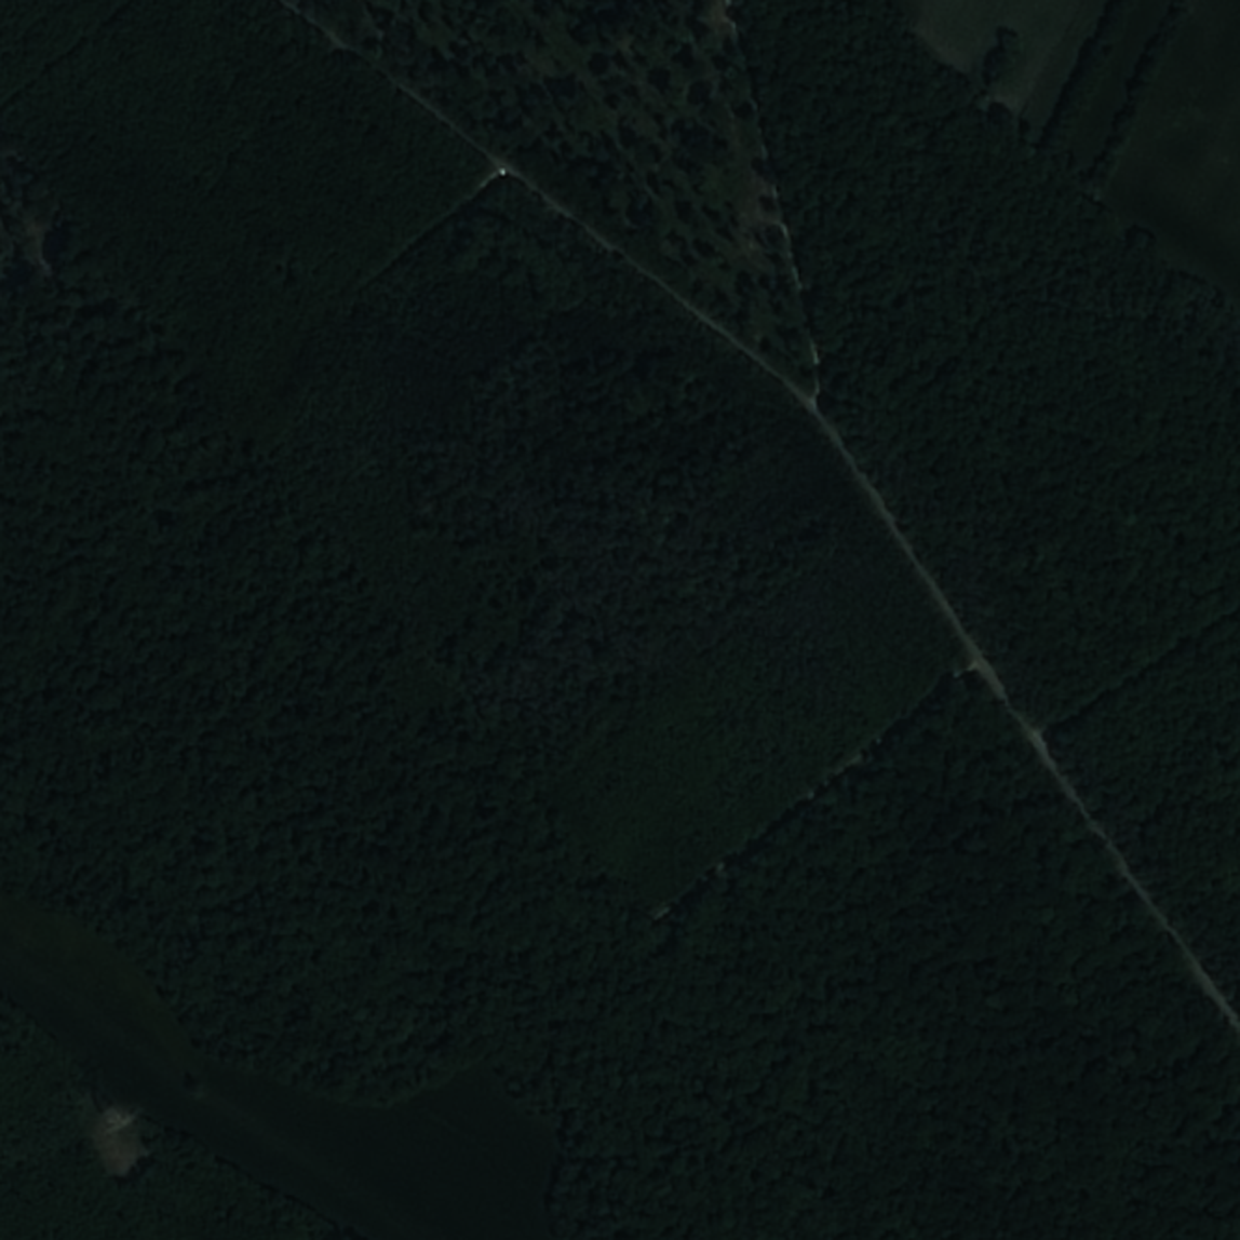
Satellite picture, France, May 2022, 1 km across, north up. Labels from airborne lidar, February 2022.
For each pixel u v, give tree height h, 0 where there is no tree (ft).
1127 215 0
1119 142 27
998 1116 63
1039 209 75
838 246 80
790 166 75
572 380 50
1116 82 0
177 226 57
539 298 76
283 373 37
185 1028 30
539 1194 0
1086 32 0
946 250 87
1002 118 63
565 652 70
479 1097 0
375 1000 73
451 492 64
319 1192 0
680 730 35
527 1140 0
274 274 54
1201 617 76
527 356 82
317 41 66
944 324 88
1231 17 0
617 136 0
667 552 90
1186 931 72
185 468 82
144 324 39
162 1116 0
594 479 86
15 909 0
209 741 69
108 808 72
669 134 95
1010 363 79
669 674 36
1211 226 0
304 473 39
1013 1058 93
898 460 81
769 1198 74
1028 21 0
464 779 54
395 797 62
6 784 65
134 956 60
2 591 77
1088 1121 81
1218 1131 76
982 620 68
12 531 63
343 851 57
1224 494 74
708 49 87
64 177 72
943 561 68
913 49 63
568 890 72
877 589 50
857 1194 62
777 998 72
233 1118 0
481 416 83
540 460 41
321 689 67
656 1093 67
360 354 51
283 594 72
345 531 41
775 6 81
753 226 0
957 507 81
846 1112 70
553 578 90
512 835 77
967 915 95
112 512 75
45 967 0
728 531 43
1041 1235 73
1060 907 101
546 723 84
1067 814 84
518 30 77
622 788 37
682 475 84
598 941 74
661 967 72
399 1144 0
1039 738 0
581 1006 84
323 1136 0
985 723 69
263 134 67
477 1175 0
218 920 65
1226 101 0
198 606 69
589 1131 76
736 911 65
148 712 71
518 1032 63
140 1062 0
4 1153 74
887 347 89
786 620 48
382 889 57
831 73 80
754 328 69
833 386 83
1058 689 66
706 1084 82
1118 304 88
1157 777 82
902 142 72
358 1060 74
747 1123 71
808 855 75
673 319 46
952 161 71
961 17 0
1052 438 80
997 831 91
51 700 72
